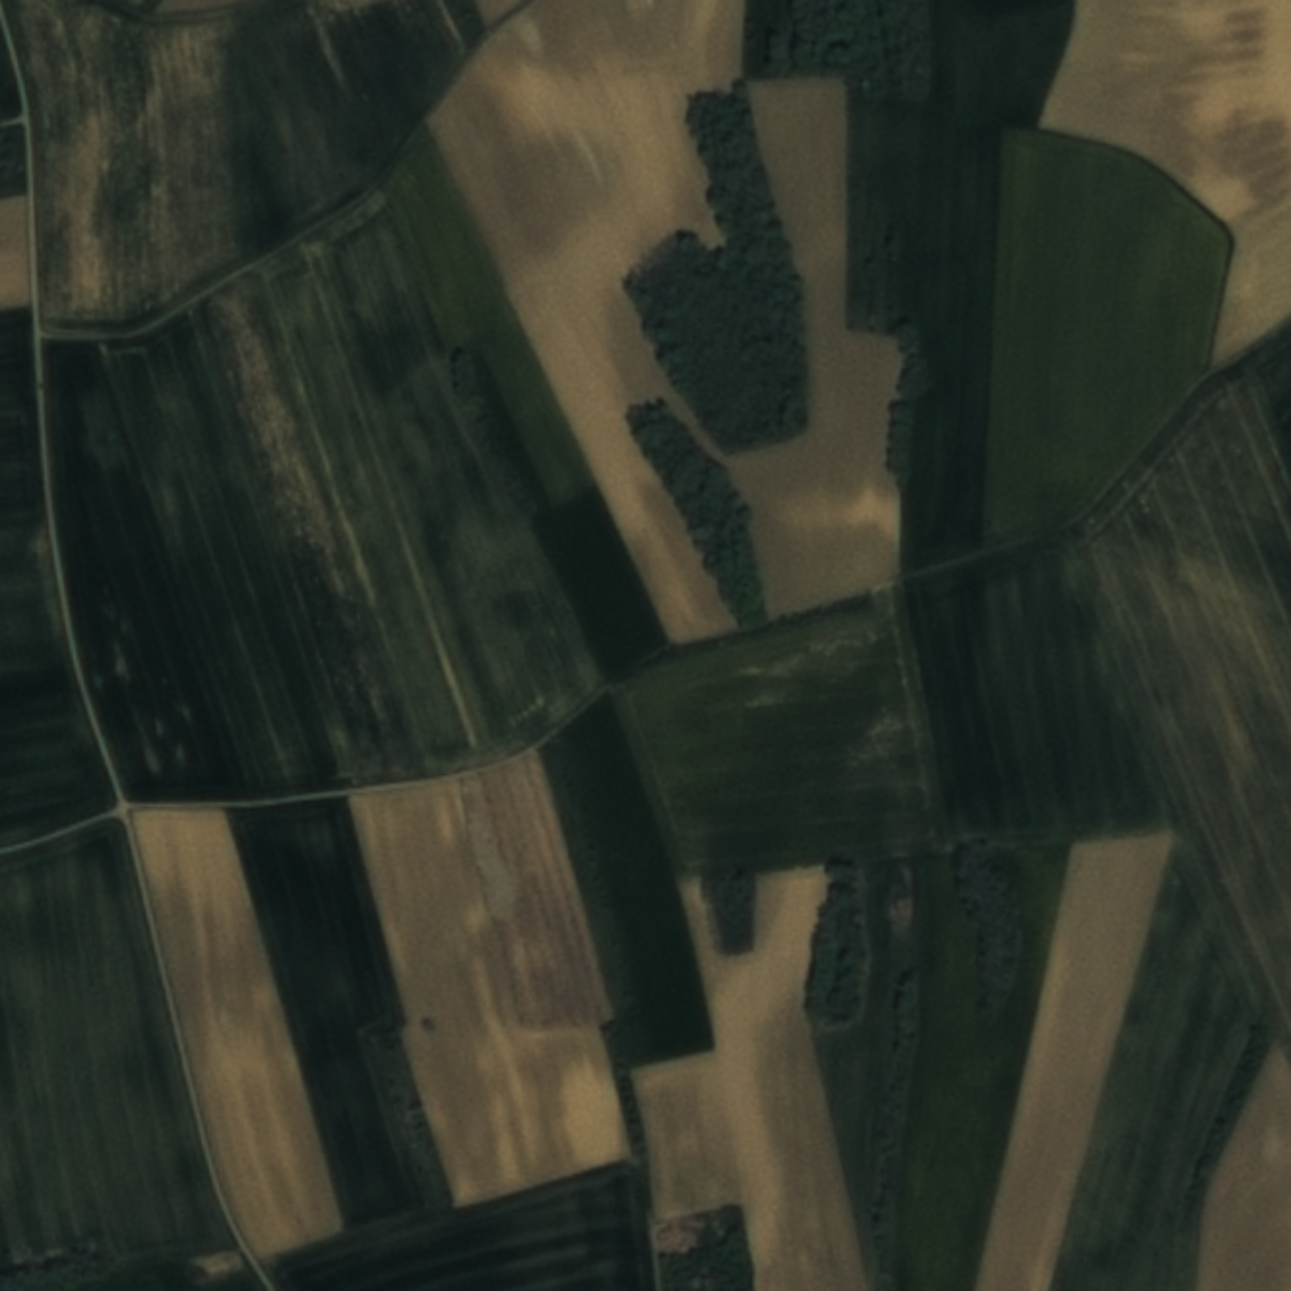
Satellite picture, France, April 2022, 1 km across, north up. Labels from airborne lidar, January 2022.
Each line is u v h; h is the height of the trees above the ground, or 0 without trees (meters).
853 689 0
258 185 0
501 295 0
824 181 0
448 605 0
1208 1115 0
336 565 0
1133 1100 0
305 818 0
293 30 0
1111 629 0
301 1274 0
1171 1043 0
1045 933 0
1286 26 0
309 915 0
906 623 0
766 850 0
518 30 0
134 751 0
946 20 0
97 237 0
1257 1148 0
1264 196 0
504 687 0
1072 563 0
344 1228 0
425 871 0
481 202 0
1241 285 0
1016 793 0
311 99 0
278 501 0
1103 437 0
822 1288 0
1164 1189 0
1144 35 0
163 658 0
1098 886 0
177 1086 0
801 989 0
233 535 0
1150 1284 0
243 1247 0
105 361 0
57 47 0
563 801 0
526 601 0
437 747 0
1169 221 0
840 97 0
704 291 13
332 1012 0
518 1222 0
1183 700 0
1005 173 0
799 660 0
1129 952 0
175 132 0
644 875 0
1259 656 0
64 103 0
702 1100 0
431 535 0
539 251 0
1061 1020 0
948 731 0
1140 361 0
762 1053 0
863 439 0
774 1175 0
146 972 0
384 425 0
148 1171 0
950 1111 0
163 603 0
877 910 0
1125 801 0
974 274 0
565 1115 0
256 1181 0
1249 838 0
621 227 0
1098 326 0
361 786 0
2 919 0
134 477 0
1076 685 0
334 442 0
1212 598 0
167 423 0
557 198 0
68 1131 0
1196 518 0
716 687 0
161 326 0
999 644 0
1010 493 0
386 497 0
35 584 0
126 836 0
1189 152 0
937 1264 0
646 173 0
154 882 0
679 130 0
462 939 0
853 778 0
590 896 0
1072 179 0
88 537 0
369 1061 0
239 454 0
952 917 0
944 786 0
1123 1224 0
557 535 0
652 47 0
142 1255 0
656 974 0
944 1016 0
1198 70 0
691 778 0
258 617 0
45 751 0
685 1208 0
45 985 0
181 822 0
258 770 0
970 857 18
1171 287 0
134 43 0
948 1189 0
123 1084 0
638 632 0
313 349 0
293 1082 0
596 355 0
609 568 0
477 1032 0
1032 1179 0
